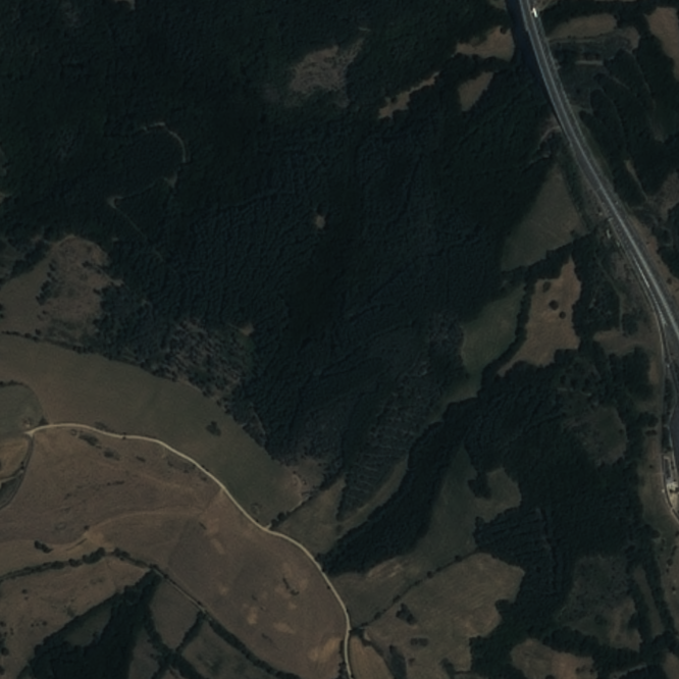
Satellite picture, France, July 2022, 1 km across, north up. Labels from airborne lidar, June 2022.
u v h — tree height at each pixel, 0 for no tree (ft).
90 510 0
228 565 0
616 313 30
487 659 43
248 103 78
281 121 36
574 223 0
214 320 71
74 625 47
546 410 71
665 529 0
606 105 63
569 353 52
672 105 42
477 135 38
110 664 88
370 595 0
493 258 58
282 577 0
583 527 74
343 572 27
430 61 63
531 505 50
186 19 79
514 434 47
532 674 0
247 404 37
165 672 22
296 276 83
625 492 74
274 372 65
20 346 0
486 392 54
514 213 34
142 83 84
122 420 0
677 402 0
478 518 29
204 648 0
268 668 35
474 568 0
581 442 41
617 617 0
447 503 0
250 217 84
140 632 52
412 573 0
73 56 60
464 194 30
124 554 39
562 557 52
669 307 0
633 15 52
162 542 0
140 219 34
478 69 56
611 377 37
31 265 38
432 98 77
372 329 72
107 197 24
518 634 37
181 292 87
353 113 54
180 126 73
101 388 0
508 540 72
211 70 73
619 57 48
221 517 0
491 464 47
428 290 75
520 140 41
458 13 50
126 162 31
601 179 0
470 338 0
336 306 73
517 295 0
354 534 67
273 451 68
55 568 28
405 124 68
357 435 75
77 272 0
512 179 38
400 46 54
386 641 0
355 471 52
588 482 45
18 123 59
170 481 0
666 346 0
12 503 0
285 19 89
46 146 63
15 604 0
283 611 0
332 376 79
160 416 0
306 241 88
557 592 47
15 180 56
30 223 71
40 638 0
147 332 41
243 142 86
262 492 0
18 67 51
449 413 42
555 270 68
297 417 83
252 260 82
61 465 0
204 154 92
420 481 75
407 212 78
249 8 44
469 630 0
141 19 85
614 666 46
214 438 0
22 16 45
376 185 67
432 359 38
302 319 94
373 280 33
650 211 0
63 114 79
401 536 73
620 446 0
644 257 0
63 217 54
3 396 0
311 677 0
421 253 41
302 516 0
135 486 0
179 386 0
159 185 25
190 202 77
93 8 70
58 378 0
